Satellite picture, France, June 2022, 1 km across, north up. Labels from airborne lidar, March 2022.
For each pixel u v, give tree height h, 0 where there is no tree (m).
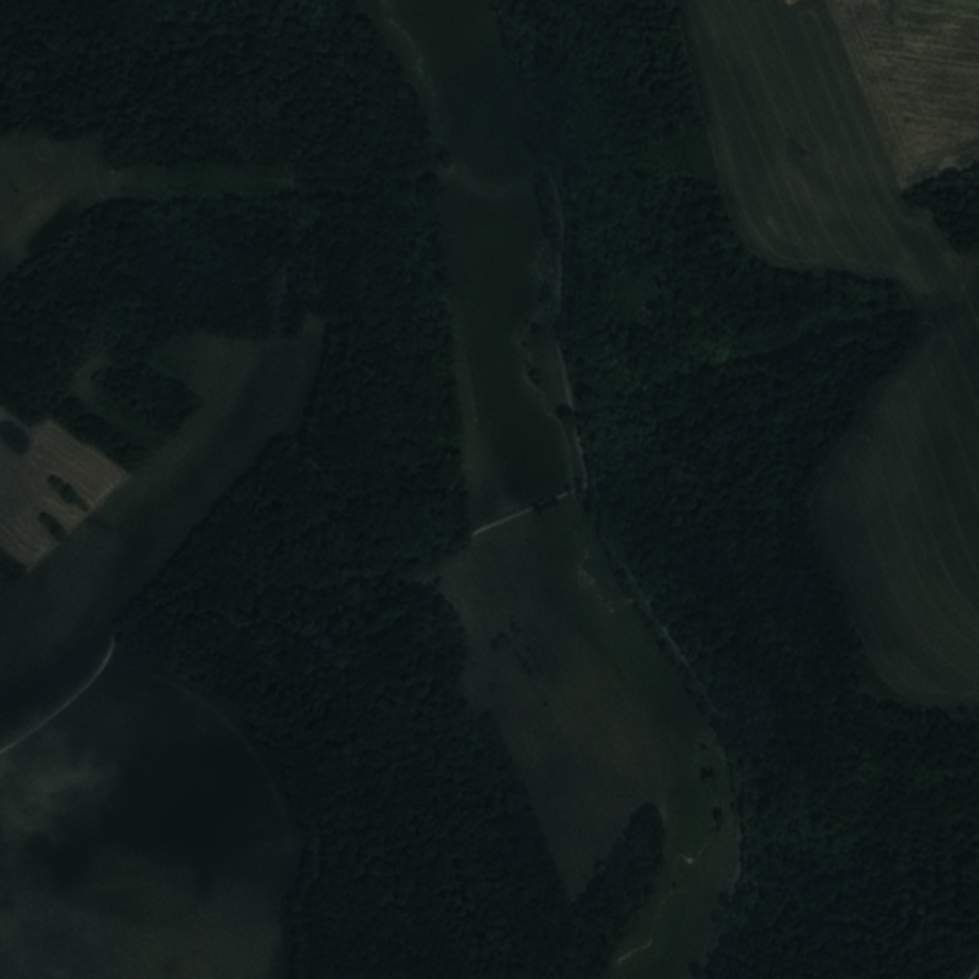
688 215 20
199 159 13
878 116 0
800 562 15
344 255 22
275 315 16
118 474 0
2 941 0
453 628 29
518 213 0
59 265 6
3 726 0
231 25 23
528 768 0
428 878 25
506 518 0
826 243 0
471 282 0
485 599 0
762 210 0
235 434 0
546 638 0
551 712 0
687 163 0
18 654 0
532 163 0
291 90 18
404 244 21
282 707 24
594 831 0
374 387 21
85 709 0
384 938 24
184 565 17
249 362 0
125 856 0
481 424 0
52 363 14
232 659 19
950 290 0
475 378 0
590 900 17
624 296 0
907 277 0
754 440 14
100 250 12
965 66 0
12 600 0
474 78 0
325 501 13
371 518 20
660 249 15
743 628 22
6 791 0
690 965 0
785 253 0
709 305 14
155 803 0
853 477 0
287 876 0
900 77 0
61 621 0
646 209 22
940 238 0
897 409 0
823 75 0
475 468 0
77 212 0
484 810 16
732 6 0
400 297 21
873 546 0
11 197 0
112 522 0
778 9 0
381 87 25
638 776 0
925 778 20
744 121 0
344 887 20
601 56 19
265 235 21
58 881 0
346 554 9
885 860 18
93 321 12
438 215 19
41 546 0
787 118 0
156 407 8
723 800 0
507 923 18
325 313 17
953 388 0
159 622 20
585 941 27
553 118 26
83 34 21
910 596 0
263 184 0
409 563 16
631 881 22
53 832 0
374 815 22
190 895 0
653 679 0
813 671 15
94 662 0
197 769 0
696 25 0
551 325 0
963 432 0
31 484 0
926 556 0
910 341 12
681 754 0
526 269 0
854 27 0
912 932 28
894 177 0
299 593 14
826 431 15
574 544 0
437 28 0
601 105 14
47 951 0
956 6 0
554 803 0
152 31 20
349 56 24
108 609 0
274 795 0
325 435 22
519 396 0
